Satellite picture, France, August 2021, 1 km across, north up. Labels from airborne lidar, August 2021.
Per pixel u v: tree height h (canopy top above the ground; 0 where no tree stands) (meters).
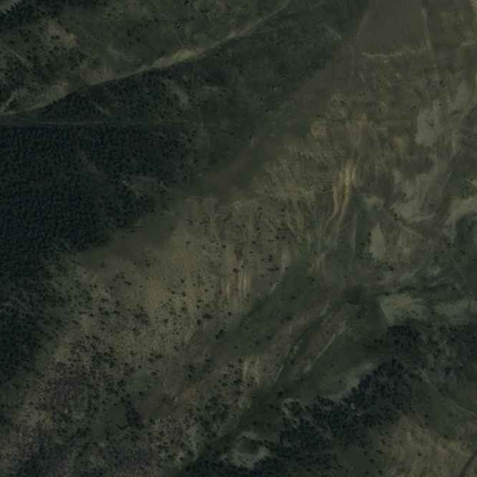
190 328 0
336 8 0
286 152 0
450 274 0
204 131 0
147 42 0
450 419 0
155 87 8
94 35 0
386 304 0
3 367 14
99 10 0
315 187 0
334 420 7
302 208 0
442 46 0
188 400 0
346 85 0
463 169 0
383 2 0
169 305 0
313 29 0
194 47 0
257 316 0
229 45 0
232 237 0
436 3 0
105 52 0
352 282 0
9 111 0
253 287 0
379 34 0
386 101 0
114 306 0
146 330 0
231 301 0
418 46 0
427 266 0
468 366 0
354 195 0
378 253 0
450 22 0
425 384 0
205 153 0
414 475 0
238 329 0
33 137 13
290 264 0
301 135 0
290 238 0
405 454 0
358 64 0
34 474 7
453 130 0
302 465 11
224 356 0
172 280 0
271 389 0
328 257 0
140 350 0
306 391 0
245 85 0
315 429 9
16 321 7
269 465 14
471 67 0
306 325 0
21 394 0
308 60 0
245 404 0
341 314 0
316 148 0
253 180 0
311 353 0
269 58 0
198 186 0
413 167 0
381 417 11
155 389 0
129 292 0
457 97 0
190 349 0
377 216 0
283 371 0
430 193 0
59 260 9
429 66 0
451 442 0
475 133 0
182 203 0
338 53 0
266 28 0
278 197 0
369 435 0
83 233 12
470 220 0
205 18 0
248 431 0
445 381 0
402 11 0
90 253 0
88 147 13
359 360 0
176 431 8
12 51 0
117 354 0
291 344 0
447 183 0
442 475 0
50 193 10
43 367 0
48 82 7
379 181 0
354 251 0
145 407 0
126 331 0
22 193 9
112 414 0
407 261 0
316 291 0
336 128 0
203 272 0
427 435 0
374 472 0
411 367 0
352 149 0
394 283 0
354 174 0
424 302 0
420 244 0
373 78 0
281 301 0
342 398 0
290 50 0
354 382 0
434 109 0
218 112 0
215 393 0
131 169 6
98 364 7
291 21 0
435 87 0
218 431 0
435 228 0
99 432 0
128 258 0
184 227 0
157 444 0
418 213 0
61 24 9
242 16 0
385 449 0
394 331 9
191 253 0
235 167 0
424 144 0
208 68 0
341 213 0
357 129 0
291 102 0
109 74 0
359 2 0
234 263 0
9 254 11
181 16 0
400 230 0
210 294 0
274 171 0
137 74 0
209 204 0
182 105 0
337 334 0
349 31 0
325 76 0
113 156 12
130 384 0
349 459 0
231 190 0
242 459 0
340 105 0
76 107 12
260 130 0
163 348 0
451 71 0
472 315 0
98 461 0
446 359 0
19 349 9
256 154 0
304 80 0
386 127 0
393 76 0
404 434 0
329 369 0
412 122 0
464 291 0
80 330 0
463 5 0
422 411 0
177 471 0
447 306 0
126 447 0
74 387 8
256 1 0
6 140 15
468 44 0
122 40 0
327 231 0
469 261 0
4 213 17
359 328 0
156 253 0
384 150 0
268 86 0
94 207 10
